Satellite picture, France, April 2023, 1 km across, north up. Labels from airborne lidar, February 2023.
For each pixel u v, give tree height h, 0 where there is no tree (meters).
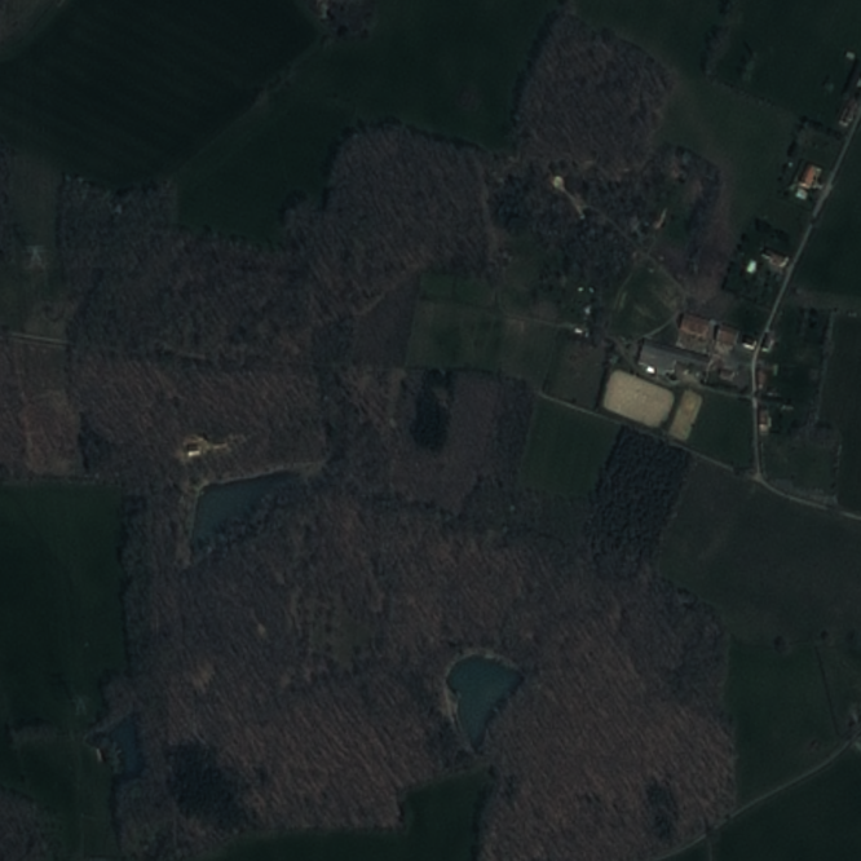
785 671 0
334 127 0
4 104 0
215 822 16
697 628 14
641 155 21
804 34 0
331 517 18
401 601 20
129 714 18
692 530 0
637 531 13
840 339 0
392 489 12
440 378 13
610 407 0
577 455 0
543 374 0
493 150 0
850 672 0
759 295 10
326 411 24
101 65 0
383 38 0
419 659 15
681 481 12
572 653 14
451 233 24
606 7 0
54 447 8
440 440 15
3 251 8
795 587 0
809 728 0
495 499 21
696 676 23
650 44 0
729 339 0
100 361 21
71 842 0
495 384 14
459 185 27
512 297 0
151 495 18
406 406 13
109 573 0
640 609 24
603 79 22
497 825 19
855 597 0
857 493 0
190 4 0
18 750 11
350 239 20
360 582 16
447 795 0
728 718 15
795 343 0
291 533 17
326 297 25
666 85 25
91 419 20
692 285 0
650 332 0
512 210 13
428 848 0
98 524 0
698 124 0
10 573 0
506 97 0
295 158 0
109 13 0
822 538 0
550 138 17
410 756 20
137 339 16
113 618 0
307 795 14
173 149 0
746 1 0
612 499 10
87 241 14
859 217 0
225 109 0
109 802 0
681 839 18
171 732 20
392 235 24
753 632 0
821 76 0
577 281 13
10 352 16
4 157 14
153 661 21
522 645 19
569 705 19
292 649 16
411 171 27
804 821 0
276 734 19
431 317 0
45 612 0
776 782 0
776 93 0
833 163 0
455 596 22
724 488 0
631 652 22
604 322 17
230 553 20
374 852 0
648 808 15
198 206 0
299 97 0
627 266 16
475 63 0
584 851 21
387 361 11
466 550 24
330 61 0
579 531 15
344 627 0
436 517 21
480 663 0
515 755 17
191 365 18
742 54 0
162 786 21
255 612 21
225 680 17
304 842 0
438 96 0
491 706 0
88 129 0
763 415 0
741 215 0
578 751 19
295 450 18
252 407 20
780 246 0
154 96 0
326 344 19
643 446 11
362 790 17
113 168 0
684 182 0
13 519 0
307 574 11
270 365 18
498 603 23
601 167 9
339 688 18
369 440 20
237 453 14
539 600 23
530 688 20
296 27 0
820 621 0
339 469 19
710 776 18
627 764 22
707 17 0
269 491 0
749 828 0
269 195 0
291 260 13
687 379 0
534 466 0
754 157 0
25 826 19
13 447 21
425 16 0
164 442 17
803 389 0
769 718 0
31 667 0
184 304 18
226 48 0
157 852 17
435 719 17
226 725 17
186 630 19
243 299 15
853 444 0
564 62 24
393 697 21
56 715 0
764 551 0
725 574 0
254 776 15
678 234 0
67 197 12
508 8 0
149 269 23
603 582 20
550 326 0
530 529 22
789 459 0
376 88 0
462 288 0
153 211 23
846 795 0
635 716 21
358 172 24
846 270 0
